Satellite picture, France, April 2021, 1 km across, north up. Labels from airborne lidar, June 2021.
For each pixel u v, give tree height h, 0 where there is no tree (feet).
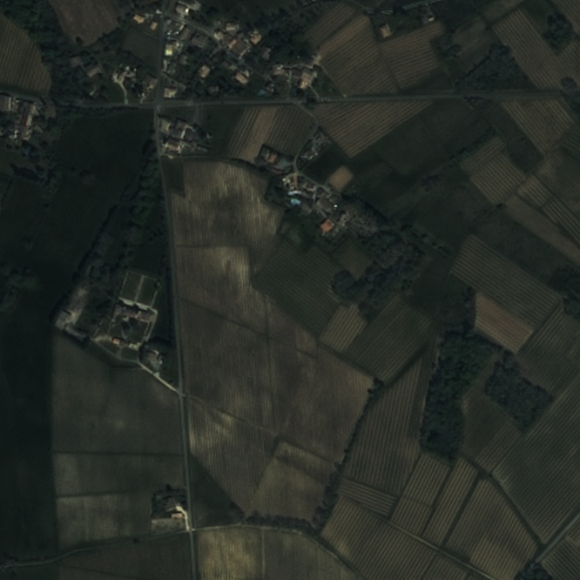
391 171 0
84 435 0
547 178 0
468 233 0
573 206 0
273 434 0
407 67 0
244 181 0
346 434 0
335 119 0
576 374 0
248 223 0
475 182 0
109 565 0
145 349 28
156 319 0
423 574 0
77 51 0
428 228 0
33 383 0
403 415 0
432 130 0
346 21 0
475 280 0
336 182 0
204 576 0
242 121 0
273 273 0
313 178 0
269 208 0
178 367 0
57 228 0
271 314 0
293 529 50
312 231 0
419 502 0
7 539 0
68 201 0
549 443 0
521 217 0
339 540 0
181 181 0
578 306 57
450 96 0
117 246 0
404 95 0
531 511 0
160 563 0
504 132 0
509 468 0
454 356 57
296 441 0
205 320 0
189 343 0
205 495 0
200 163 0
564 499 0
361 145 0
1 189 0
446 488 0
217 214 0
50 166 20
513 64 54
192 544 0
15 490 0
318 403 0
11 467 0
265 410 0
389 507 0
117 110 29
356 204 58
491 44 0
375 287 29
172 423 0
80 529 0
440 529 0
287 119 0
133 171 0
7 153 0
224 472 0
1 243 0
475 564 0
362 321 0
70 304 34
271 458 0
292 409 0
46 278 0
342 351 0
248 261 0
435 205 0
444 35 0
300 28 27
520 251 0
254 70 60
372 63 0
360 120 0
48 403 0
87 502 0
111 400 0
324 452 0
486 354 66
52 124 46
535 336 0
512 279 0
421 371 0
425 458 0
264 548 0
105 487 0
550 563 0
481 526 0
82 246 0
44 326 0
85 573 0
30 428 0
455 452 43
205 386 0
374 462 0
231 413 0
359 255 0
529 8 0
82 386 0
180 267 0
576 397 0
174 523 0
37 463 0
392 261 54
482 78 29
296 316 0
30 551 0
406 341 0
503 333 0
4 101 0
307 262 0
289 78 0
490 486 0
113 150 0
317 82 36
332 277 0
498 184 0
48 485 0
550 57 0
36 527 0
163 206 33
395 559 0
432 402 57
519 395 69
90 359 0
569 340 0
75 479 0
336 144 0
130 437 0
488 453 0
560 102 0
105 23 0
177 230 0
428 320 0
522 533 0
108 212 0
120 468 0
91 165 0
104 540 0
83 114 34
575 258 0
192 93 54
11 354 0
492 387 55
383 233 29
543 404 45
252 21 0
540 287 0
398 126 0
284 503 0
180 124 0
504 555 0
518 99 0
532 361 0
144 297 0
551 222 0
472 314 31
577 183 0
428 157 0
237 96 37
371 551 0
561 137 0
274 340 0
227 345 0
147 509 0
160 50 0
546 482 0
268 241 0
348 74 0
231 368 0
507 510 0
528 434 0
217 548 0
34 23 45
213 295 0
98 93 32
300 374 0
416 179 0
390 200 0
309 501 0
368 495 0
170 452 0
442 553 0
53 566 0
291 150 0
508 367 40
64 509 0
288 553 0
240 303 0
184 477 0
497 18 0
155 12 24
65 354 0
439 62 0
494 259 0
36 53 0
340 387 0
